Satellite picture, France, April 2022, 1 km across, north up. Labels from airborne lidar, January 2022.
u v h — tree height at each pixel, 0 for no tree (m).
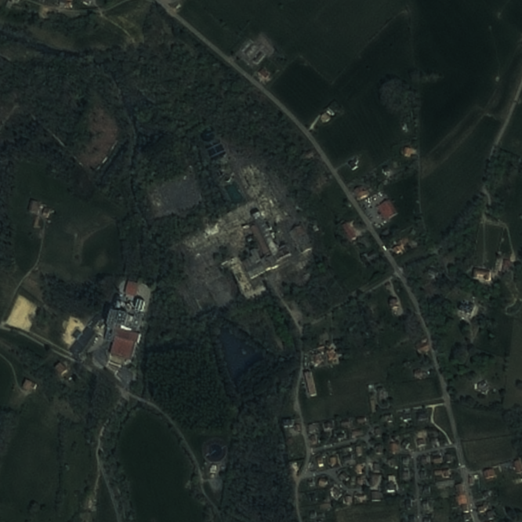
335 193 0
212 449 0
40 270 0
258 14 0
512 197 0
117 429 18
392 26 0
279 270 0
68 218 0
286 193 0
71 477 0
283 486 24
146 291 0
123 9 0
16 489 0
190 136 17
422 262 14
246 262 0
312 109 0
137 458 0
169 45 0
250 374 25
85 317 21
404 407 0
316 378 0
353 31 0
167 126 24
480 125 0
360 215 0
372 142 0
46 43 0
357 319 10
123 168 19
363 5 0
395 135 0
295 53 0
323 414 0
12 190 24
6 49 0
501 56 0
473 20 0
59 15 6
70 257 0
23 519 0
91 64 7
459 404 14
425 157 0
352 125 0
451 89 0
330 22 0
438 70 0
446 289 24
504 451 0
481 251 0
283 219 0
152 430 0
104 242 0
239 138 18
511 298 0
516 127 0
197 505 0
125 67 27
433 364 13
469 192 0
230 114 8
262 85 0
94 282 17
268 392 10
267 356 13
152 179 15
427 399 0
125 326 0
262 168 0
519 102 0
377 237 0
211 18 0
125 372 0
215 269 0
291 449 0
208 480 0
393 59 0
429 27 0
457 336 0
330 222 0
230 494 16
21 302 0
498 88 0
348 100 0
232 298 0
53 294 15
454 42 0
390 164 0
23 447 0
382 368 0
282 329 21
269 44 0
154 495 0
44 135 17
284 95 0
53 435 0
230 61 0
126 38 0
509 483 0
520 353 0
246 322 0
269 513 21
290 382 19
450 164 0
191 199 0
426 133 0
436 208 0
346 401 0
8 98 22
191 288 0
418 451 0
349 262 0
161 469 0
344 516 0
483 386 0
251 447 21
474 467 0
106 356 0
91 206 0
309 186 16
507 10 0
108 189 17
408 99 30
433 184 0
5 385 0
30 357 13
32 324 13
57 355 0
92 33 27
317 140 0
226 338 0
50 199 0
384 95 19
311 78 0
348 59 0
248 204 0
